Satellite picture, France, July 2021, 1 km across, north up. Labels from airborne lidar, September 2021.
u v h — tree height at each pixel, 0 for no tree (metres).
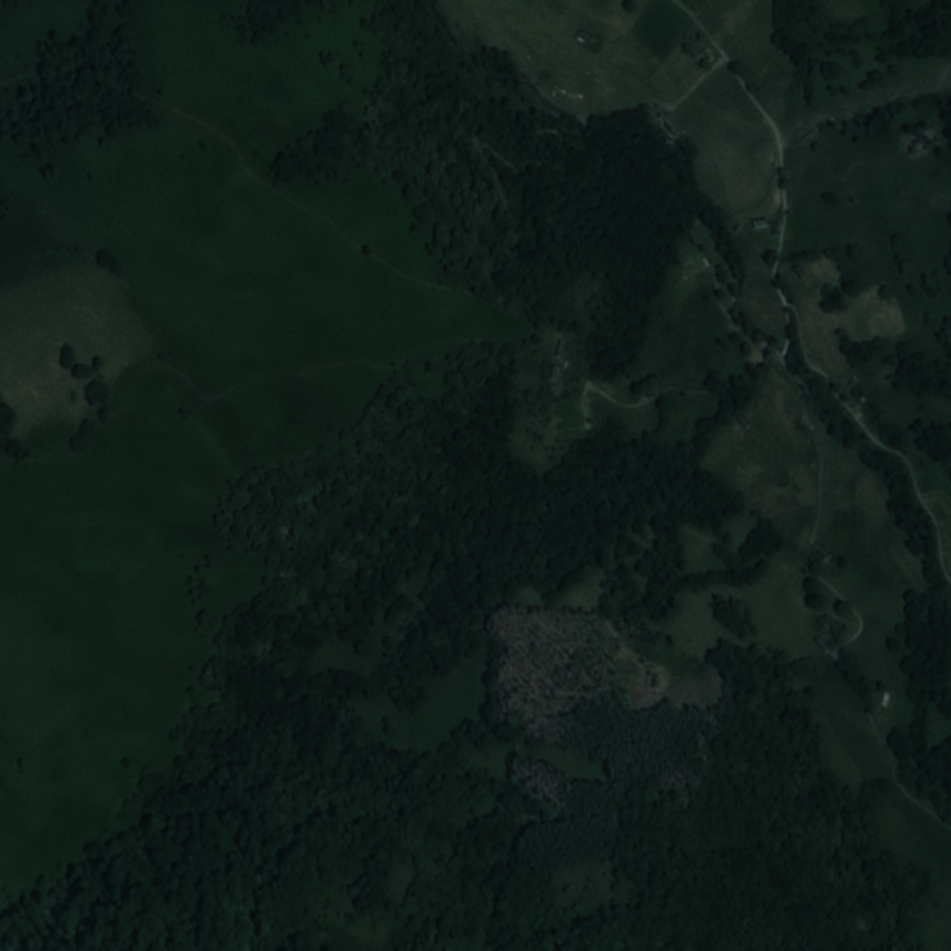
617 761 18
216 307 0
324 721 24
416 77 13
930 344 0
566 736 18
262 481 12
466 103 9
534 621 24
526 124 13
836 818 27
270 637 13
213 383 0
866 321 0
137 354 0
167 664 0
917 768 8
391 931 0
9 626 0
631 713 17
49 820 0
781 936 12
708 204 12
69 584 0
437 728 0
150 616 0
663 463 23
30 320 0
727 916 12
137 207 0
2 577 0
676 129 0
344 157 9
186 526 0
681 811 9
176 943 24
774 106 0
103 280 0
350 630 24
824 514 0
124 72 12
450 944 27
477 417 21
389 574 17
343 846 16
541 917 8
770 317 0
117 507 0
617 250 20
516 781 17
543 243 18
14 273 0
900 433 9
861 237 0
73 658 0
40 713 0
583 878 0
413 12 10
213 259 0
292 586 11
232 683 23
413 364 11
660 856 21
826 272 0
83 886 34
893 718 0
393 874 7
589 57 0
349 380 0
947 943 0
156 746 0
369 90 11
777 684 24
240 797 36
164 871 22
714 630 0
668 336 0
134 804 8
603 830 16
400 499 21
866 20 8
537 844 23
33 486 0
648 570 24
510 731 30
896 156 0
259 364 0
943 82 0
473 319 0
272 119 0
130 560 0
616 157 18
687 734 21
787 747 10
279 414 0
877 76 20
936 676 18
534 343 16
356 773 21
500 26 0
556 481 16
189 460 0
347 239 0
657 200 20
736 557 13
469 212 18
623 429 8
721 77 0
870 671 0
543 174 18
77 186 0
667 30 0
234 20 6
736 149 0
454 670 14
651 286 11
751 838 10
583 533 19
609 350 15
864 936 19
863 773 0
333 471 13
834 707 0
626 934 19
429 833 17
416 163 20
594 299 8
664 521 19
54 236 0
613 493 20
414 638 26
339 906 8
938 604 18
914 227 0
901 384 12
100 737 0
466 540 18
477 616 18
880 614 0
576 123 17
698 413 0
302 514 25
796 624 0
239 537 24
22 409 0
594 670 22
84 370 19
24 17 0
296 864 26
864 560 0
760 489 0
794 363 12
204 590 20
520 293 9
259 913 24
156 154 0
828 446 0
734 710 14
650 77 0
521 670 22
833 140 0
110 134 14
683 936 20
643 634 27
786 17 10
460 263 11
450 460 19
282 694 24
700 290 0
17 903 12
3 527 0
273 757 17
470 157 20
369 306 0
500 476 11
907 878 16
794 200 0
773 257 18
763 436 0
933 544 20
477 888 15
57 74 9
